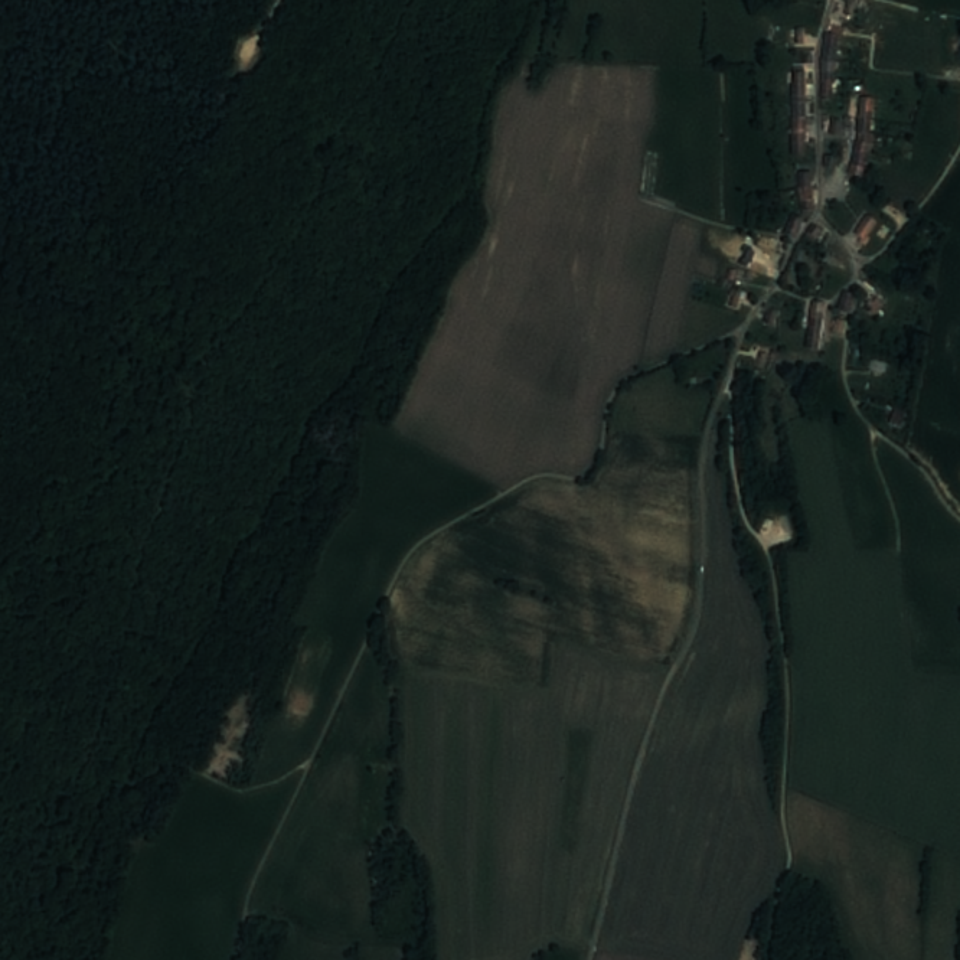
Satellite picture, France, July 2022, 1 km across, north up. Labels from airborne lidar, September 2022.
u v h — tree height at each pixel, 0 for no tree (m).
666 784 0
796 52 8
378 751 0
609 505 0
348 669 0
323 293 13
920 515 0
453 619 0
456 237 8
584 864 0
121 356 22
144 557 13
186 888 0
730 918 0
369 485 0
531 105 0
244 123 17
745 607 0
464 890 0
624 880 0
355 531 0
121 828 12
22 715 18
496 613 0
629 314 0
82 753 12
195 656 15
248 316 16
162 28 20
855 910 0
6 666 21
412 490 0
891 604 0
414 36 17
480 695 0
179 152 18
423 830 0
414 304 22
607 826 0
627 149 0
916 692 0
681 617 0
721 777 0
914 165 0
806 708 0
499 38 16
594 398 0
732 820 0
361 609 0
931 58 0
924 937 0
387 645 11
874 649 0
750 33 0
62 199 31
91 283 17
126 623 20
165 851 0
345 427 29
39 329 24
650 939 0
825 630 0
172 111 18
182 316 19
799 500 14
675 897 0
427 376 0
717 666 0
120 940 0
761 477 6
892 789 0
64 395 21
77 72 27
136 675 21
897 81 0
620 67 0
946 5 0
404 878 10
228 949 0
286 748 0
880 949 0
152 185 18
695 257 0
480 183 11
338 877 0
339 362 19
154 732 15
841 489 0
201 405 18
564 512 0
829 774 0
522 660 0
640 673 0
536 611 0
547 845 0
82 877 17
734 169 0
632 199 0
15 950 20
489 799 0
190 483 7
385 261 15
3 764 21
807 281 14
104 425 14
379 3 16
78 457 18
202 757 20
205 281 22
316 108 14
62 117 21
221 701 20
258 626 22
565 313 0
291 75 16
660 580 0
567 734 0
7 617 21
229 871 0
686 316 0
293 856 0
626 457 0
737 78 0
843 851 0
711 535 0
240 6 20
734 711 0
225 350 14
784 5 14
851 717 0
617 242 0
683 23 0
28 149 32
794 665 0
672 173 0
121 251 18
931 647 0
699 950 0
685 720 0
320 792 0
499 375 0
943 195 0
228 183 16
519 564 0
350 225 19
